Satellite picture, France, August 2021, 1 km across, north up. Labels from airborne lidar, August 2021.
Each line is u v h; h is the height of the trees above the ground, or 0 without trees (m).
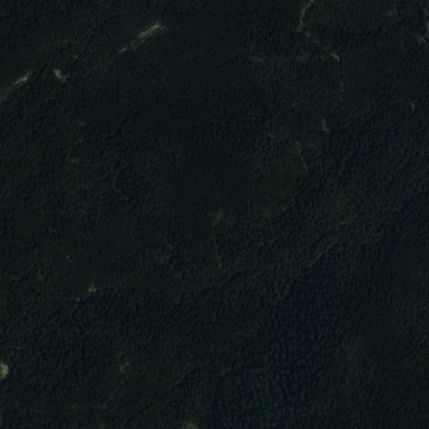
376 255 16
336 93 10
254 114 15
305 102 10
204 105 17
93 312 25
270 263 19
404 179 20
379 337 18
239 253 25
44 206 25
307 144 8
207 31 28
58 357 30
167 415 12
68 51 27
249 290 33
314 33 13
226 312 33
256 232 27
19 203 29
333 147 22
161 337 19
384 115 20
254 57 18
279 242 15
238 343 27
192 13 18
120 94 26
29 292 17
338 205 16
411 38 8
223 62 14
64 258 18
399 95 27
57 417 15
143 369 18
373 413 21
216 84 30
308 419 15
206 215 15
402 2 19
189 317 18
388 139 35
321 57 21
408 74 28
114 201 28
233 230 11
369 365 24
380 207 6
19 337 24
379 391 13
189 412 21
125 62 25
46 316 22
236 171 17
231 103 20
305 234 23
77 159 13
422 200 17
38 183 23
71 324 27
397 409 24
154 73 21
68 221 19
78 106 24
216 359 30
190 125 20
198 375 30
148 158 22
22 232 22
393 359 16
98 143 21
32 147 22
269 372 21
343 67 21
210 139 21
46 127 20
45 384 26
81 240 15
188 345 18
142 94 32
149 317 23
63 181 23
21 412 19
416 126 23
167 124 24
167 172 20
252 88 23
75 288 29
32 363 25
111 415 29
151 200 13
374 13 25
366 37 21
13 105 20
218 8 13
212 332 13
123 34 12
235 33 22
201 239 14
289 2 17
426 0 22
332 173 12
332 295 22
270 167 14
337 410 19
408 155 30
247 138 16
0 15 26
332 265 17
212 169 19
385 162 15
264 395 20
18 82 10
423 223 22
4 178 22
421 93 26
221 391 19
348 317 15
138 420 27
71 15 26
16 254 22
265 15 14
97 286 15
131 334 28
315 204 24
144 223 14
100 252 22
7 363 15
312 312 19
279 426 13
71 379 21
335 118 26
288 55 11
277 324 19
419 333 31
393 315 16
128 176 26
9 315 16
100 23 11
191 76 24
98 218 18
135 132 26
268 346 20
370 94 22
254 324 30
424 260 27
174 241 10
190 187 18
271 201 12
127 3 19
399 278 29
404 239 29
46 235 23
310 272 29
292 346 38
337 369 8
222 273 7
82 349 28
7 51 14
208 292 15
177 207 27
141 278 25
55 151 26
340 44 20
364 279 9
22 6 20
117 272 23
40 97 22
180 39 15
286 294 17
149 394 18
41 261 25
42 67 18
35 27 19
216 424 19
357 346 15
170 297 30
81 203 18
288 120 15
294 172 9
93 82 28
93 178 16
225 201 18
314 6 17
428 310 33
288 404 14
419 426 19
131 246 17
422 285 29
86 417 15
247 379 23
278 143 6
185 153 22
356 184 6
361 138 32
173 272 21
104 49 15
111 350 26
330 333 19
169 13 29
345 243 7
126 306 18
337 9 13
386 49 19
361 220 16
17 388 16
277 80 16
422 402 13
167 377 14
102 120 19
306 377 19
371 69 22
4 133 36
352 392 15
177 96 19
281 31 20
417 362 11
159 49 19
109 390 12
